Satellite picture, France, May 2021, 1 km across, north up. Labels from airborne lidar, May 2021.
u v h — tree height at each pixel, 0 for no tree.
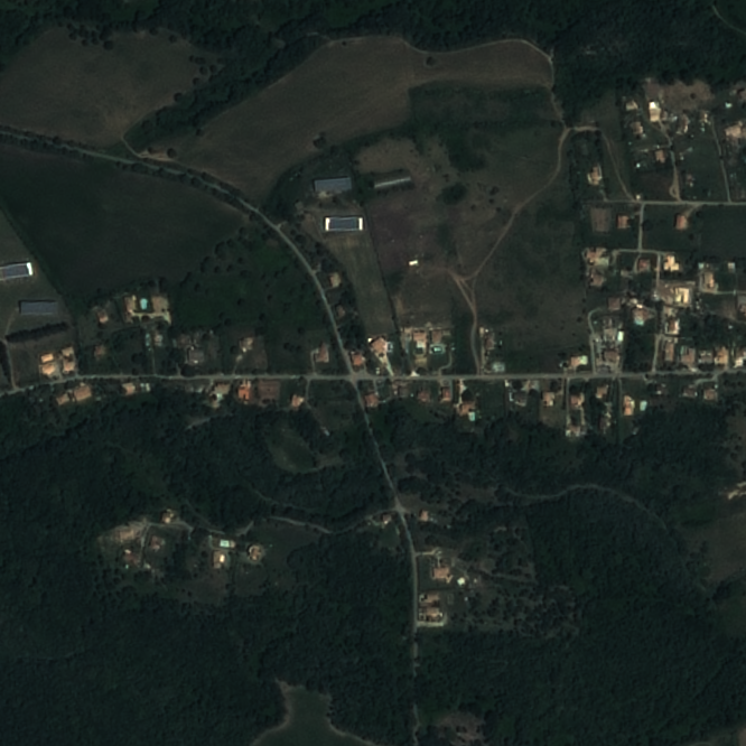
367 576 10
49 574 16
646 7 9
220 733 10
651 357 0
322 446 12
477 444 13
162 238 0
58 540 12
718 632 11
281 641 11
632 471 12
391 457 11
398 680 14
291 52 12
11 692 11
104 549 0
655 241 0
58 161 0
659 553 10
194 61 7
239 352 8
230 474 11
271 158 0
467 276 0
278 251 0
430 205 0
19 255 0
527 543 7
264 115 0
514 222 0
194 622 10
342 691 12
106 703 9
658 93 0
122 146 0
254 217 10
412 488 11
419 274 0
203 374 6
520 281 0
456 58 0
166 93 0
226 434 10
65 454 13
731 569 0
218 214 0
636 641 8
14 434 7
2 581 11
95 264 0
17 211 0
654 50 6
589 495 7
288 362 0
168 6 15
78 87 0
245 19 9
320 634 17
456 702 9
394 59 0
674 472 8
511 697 10
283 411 7
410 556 10
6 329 0
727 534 0
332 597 8
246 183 0
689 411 6
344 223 0
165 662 10
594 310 0
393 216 0
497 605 12
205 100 14
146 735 8
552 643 7
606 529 8
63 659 10
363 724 9
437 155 0
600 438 11
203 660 13
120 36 0
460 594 6
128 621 14
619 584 8
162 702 10
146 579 11
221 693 15
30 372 0
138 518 8
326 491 9
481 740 8
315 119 0
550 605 8
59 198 0
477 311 0
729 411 9
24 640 9
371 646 9
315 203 0
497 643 7
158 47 0
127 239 0
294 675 11
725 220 0
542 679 8
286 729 0
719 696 11
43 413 7
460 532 12
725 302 0
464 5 8
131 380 6
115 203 0
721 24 16
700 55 13
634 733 10
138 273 0
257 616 11
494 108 0
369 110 0
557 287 0
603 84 9
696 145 0
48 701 11
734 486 0
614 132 0
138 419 18
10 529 9
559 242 0
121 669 10
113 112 0
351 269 0
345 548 10
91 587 12
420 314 0
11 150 0
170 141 0
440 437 12
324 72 0
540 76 0
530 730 9
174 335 11
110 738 7
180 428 9
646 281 0
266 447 10
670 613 14
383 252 0
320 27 7
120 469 11
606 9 11
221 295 0
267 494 9
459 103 0
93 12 13
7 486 12
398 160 0
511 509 12
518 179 0
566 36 14
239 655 11
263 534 0
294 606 8
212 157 0
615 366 0
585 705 9
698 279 0
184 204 0
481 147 0
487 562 0
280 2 12
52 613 15
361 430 7
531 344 0
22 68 0
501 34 7
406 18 9
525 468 9
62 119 0
